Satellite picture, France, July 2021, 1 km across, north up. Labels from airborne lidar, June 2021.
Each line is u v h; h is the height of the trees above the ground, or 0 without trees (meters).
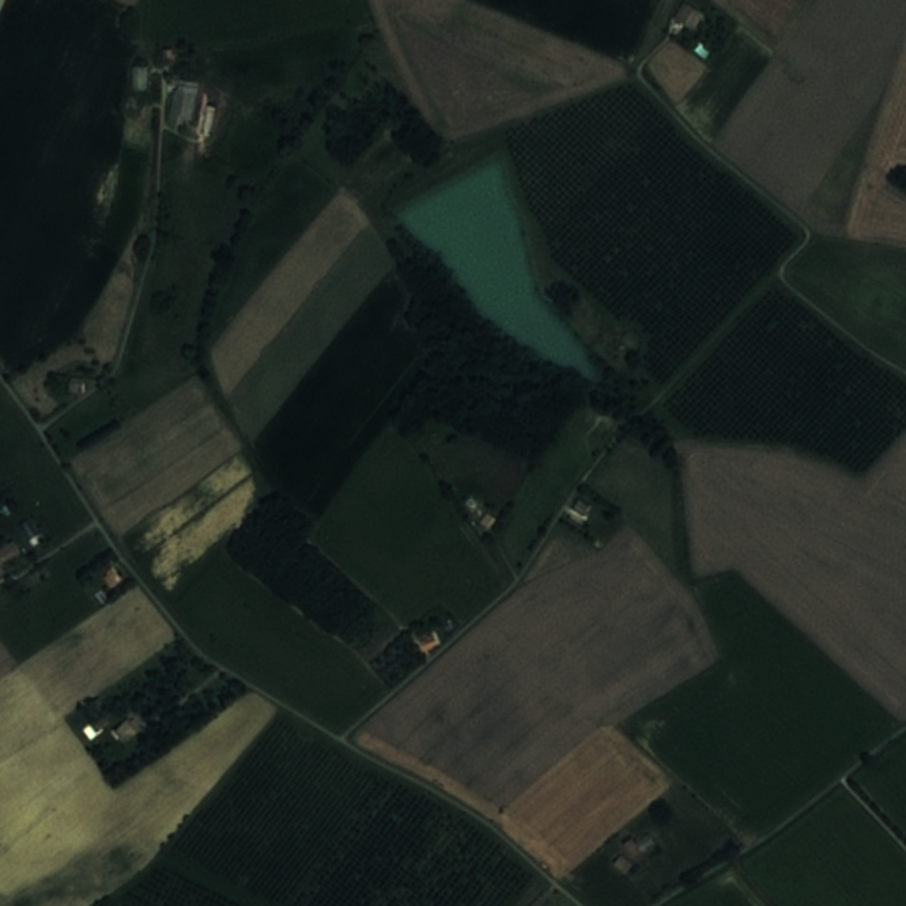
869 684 0
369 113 6
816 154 0
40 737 0
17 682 0
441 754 0
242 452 0
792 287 0
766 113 0
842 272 0
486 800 0
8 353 0
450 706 0
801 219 0
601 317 0
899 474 0
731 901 0
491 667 0
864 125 0
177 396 0
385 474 0
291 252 0
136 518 0
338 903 7
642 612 0
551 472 0
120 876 0
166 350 0
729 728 0
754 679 0
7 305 0
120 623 0
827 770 0
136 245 8
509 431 25
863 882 0
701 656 0
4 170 0
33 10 0
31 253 0
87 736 0
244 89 0
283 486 0
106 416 0
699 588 0
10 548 0
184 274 0
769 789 0
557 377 10
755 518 0
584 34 0
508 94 0
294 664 0
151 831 0
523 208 0
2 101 0
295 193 0
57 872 0
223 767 0
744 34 0
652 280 6
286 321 0
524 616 0
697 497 0
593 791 0
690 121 0
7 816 0
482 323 10
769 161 0
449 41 0
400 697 0
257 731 0
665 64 0
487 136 0
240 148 0
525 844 0
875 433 6
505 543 0
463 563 0
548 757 0
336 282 0
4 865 0
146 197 0
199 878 0
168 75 11
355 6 0
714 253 5
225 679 10
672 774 0
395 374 0
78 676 0
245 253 0
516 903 0
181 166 0
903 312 0
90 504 0
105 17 0
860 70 0
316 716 0
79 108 0
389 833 6
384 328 0
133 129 0
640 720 0
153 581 0
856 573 0
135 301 0
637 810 0
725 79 0
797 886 0
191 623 0
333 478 0
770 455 0
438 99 0
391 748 0
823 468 0
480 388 26
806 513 0
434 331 18
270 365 0
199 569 0
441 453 0
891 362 0
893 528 0
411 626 8
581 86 0
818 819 0
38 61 0
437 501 0
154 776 0
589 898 0
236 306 0
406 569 0
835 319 0
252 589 0
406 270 13
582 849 0
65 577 0
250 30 0
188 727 14
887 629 0
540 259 0
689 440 0
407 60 0
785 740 0
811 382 6
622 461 0
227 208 0
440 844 0
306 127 20
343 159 19
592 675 0
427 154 17
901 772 0
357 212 0
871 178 0
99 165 0
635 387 15
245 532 15
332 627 15
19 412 0
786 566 0
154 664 0
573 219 6
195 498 0
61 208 0
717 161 0
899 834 9
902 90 0
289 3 0
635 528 0
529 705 0
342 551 0
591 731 0
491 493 0
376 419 0
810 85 0
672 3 0
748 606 0
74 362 0
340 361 0
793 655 0
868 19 0
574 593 0
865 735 0
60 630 0
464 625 0
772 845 0
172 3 0
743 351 5
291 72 0
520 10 0
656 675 0
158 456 0
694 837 0
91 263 0
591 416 0
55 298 0
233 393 0
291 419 0
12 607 0
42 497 0
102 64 0
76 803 0
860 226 0
